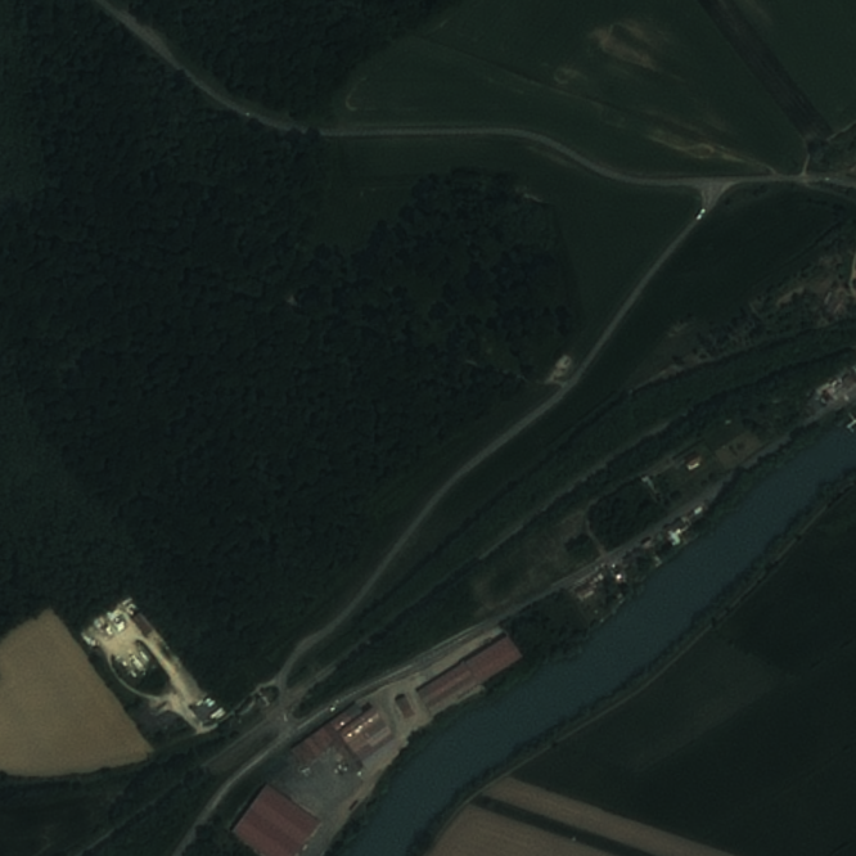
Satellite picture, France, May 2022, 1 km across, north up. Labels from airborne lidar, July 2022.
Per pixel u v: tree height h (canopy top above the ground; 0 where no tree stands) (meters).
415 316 32
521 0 0
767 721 0
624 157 0
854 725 0
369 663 12
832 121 0
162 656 0
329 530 30
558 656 12
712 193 0
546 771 0
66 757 0
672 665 0
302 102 22
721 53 0
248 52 30
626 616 0
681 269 0
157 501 30
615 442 17
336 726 0
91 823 0
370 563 0
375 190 0
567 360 0
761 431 14
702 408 14
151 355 30
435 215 32
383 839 0
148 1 25
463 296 31
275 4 22
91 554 23
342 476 28
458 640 0
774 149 0
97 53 26
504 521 18
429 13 23
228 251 30
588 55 0
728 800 0
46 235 20
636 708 0
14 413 24
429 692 0
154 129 22
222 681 14
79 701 0
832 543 0
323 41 26
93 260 22
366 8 22
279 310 30
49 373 28
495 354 0
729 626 0
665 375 0
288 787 0
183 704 0
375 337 27
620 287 0
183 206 29
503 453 0
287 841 0
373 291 34
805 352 21
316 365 31
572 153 0
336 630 0
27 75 18
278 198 25
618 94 0
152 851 17
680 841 0
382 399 29
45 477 22
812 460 0
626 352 0
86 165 20
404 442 29
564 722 13
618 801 0
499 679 11
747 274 0
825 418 0
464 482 0
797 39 0
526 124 0
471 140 0
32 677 0
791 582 0
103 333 29
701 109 0
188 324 24
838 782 0
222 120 22
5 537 22
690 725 0
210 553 26
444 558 18
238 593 31
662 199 0
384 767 0
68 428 31
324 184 26
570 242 0
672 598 0
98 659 13
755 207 0
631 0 0
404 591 15
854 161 0
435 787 0
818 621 0
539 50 0
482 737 0
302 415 28
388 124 0
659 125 0
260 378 30
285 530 26
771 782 0
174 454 30
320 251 0
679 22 0
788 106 0
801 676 0
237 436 29
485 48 0
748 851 0
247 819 0
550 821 0
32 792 22
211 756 15
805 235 0
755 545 0
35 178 20
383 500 0
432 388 25
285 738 0
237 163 24
